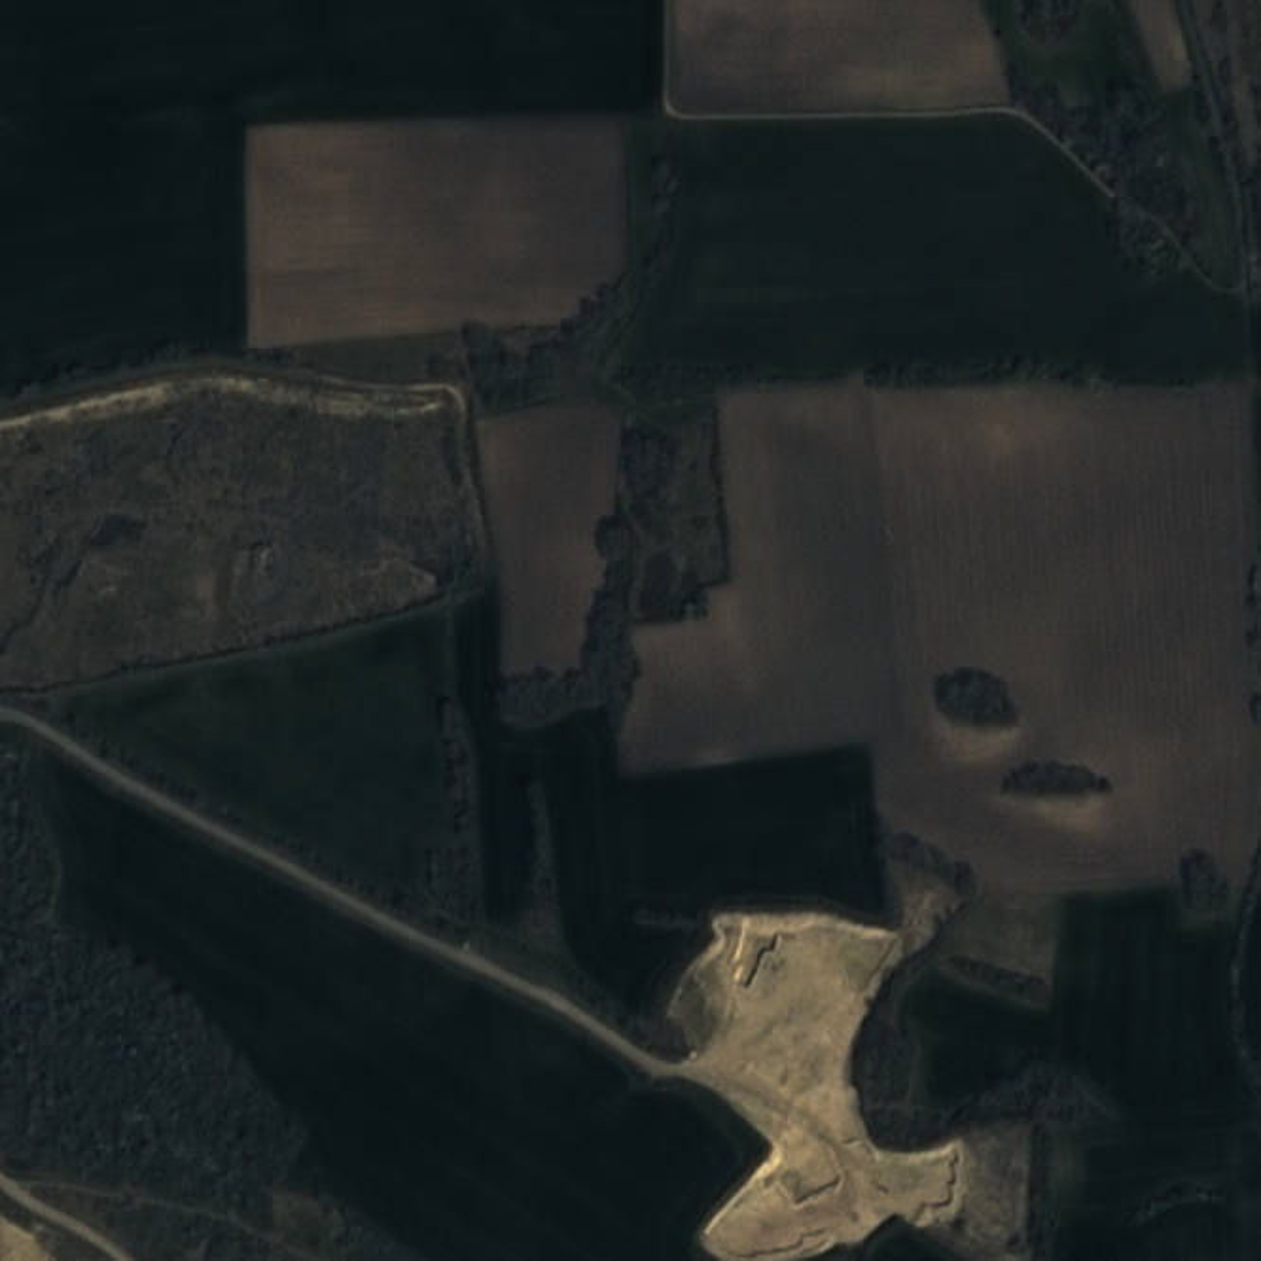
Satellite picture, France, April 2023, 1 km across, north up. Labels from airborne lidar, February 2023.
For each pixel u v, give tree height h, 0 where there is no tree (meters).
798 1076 0
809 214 0
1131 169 12
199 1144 6
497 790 0
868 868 0
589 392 0
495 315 0
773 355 0
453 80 0
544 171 0
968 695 20
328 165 0
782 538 0
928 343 0
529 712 17
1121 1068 0
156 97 0
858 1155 0
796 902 0
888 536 0
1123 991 0
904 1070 17
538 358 14
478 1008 0
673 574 0
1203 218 0
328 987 0
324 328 0
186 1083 10
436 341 0
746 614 0
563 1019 0
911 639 0
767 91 0
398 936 0
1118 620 0
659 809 0
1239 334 0
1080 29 0
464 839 9
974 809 0
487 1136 0
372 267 0
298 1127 9
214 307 0
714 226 0
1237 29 0
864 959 0
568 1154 0
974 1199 0
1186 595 0
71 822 0
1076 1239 0
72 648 0
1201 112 11
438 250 0
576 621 0
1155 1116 0
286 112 0
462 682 0
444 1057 0
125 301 0
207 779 0
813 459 0
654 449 13
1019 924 0
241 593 0
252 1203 7
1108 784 10
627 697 13
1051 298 0
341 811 0
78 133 0
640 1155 0
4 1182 0
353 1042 0
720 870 0
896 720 0
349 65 0
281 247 0
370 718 0
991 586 0
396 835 0
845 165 0
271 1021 0
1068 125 20
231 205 0
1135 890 0
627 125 0
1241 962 12
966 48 0
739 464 0
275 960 0
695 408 0
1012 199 0
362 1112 0
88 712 0
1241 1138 0
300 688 0
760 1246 0
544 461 0
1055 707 0
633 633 10
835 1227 0
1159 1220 0
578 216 0
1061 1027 0
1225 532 0
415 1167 0
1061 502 0
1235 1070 0
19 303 0
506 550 0
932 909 0
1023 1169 0
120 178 0
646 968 0
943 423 0
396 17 0
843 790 0
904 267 0
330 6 0
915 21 0
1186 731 0
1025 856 0
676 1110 0
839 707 0
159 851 0
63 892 0
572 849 0
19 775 12
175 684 0
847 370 0
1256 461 0
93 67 0
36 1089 7
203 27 0
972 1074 0
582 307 0
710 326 0
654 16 0
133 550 0
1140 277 7
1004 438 0
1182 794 0
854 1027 0
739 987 0
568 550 0
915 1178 0
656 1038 0
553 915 0
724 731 0
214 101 0
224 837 0
